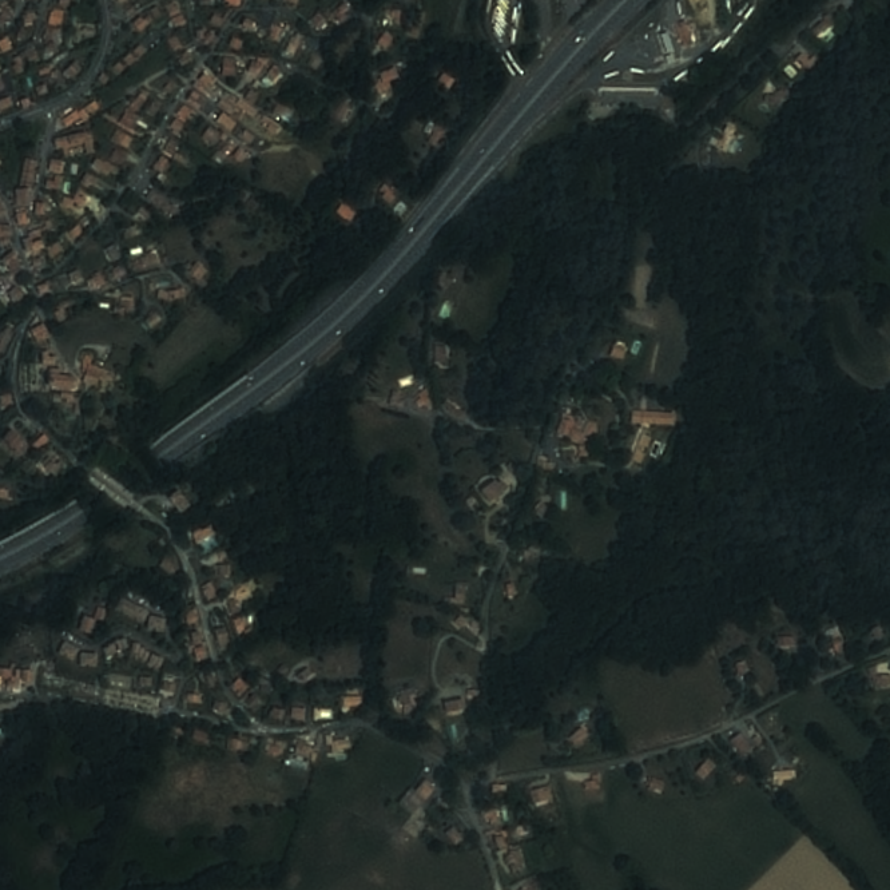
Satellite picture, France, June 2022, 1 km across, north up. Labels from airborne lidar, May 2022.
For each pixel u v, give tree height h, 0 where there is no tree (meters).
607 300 19
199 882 20
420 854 0
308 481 21
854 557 20
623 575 25
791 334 12
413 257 0
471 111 17
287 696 17
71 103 0
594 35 0
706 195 24
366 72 18
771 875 0
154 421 11
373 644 17
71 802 14
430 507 0
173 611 15
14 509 10
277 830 0
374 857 0
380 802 0
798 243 14
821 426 23
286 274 32
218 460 13
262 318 12
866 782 19
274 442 21
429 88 16
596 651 20
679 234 25
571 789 0
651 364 0
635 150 17
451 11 0
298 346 0
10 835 0
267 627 12
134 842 0
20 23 10
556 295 20
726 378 27
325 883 0
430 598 11
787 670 15
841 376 23
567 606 22
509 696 19
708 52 9
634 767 16
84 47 6
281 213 13
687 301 20
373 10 13
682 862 0
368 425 0
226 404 0
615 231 25
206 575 10
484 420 18
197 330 0
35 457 18
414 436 0
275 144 0
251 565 20
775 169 16
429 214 0
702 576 13
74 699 10
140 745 22
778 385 22
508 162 0
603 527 0
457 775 16
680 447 19
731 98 17
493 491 0
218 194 8
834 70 18
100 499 10
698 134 14
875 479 12
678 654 23
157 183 14
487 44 12
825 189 23
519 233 12
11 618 18
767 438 15
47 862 0
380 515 27
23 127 14
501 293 0
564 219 23
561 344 27
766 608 11
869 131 25
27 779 20
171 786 0
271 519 19
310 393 14
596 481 21
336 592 13
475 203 6
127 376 8
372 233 14
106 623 12
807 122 17
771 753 0
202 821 0
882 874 0
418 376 8
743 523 22
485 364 22
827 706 0
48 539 0
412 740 7
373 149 21
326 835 0
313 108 9
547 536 21
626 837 0
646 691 0
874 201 19
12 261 0
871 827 0
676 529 16
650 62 0
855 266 22
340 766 0
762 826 0
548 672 27
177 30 9
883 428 23
